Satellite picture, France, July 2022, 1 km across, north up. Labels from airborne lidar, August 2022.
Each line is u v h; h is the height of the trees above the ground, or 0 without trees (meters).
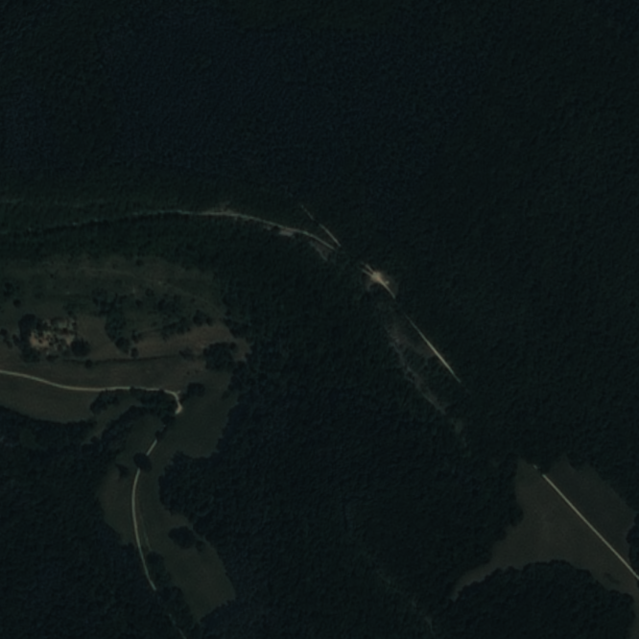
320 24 15
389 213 13
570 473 0
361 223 9
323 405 26
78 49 16
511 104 17
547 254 13
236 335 16
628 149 16
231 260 15
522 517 10
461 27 12
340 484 30
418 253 16
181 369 0
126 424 19
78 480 19
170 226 16
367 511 14
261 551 19
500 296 11
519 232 15
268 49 23
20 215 14
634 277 13
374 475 34
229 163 16
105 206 11
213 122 13
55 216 12
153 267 0
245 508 23
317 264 11
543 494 0
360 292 17
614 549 0
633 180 15
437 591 17
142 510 0
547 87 16
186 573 0
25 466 22
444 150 17
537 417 18
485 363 13
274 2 18
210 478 14
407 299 10
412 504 16
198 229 18
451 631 13
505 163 19
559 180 10
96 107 18
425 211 13
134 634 25
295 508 25
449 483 23
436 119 18
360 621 24
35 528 24
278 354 24
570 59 22
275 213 10
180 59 21
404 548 17
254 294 15
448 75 20
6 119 18
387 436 30
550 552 0
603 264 15
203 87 19
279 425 23
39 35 12
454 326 10
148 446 0
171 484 21
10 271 0
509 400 9
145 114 21
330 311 29
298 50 24
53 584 25
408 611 16
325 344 14
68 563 21
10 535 25
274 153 17
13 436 24
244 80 22
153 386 0
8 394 0
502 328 10
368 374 21
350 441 25
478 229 16
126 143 19
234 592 0
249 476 19
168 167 17
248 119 13
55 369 0
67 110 17
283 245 15
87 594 24
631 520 0
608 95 17
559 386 15
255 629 22
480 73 20
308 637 27
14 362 0
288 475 24
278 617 21
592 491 0
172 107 20
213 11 23
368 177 16
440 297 11
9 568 27
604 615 13
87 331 0
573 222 19
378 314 7
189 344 0
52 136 20
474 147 18
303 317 20
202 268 16
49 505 24
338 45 20
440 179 20
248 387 19
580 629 15
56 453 35
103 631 21
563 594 19
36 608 23
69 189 11
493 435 17
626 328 15
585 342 18
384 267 6
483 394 14
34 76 15
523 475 0
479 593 19
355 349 20
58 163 19
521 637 16
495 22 15
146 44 22
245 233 14
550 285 9
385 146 21
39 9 20
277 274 20
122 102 18
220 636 23
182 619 23
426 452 30
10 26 16
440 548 10
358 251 10
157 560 25
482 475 25
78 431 23
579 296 17
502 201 19
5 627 29
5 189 7
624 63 18
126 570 25
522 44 18
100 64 13
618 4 11
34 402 0
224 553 22
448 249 14
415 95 14
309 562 17
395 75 15
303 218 9
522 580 10
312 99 20
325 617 25
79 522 24
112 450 15
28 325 18
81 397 0
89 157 17
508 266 13
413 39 16
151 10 22
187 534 25
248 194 12
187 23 22
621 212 16
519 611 16
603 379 17
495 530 8
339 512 17
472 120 19
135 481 0
